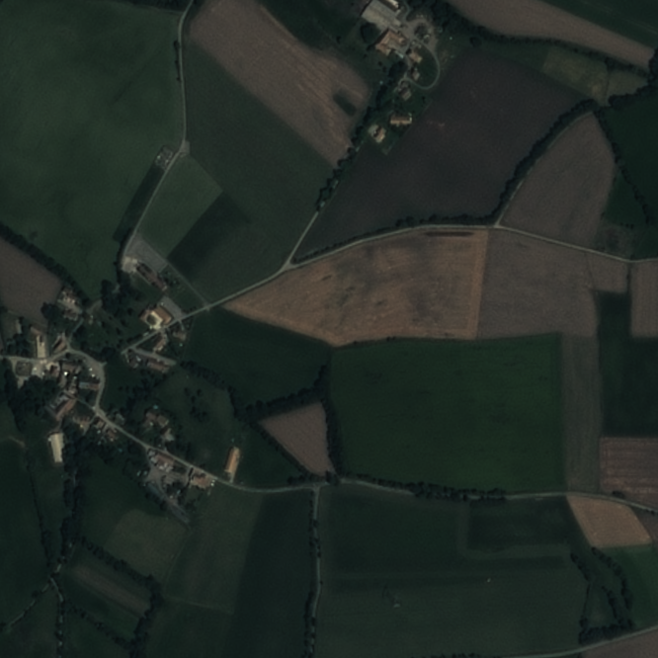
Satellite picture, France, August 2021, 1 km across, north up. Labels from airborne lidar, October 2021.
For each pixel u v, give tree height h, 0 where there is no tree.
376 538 0
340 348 0
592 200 0
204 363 0
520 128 0
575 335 0
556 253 0
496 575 0
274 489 0
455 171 0
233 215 0
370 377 0
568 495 0
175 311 0
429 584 0
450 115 0
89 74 0
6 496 0
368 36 15
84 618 11
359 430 0
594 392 0
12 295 0
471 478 0
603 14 0
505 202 13
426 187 0
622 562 0
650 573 0
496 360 0
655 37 0
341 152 0
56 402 0
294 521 0
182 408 0
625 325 0
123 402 0
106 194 0
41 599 18
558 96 0
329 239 0
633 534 0
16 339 9
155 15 0
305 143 0
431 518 0
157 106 0
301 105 0
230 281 0
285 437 0
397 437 0
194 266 0
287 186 0
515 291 0
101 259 0
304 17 0
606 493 0
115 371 0
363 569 0
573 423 0
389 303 0
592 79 0
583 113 11
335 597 0
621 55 0
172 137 0
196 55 0
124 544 0
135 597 0
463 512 0
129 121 0
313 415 0
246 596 0
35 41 0
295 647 0
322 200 7
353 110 0
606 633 17
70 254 0
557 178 0
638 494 0
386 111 19
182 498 8
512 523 0
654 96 17
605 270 0
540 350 0
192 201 0
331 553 0
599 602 0
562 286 0
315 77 0
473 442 0
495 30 0
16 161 0
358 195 0
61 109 0
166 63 0
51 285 0
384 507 0
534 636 0
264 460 0
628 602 13
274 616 0
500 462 0
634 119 0
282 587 0
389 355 0
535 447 0
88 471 17
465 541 0
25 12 0
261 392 0
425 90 0
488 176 0
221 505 0
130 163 0
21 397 22
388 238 0
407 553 0
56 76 0
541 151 18
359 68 0
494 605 0
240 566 0
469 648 0
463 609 0
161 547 0
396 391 0
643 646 0
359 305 0
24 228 0
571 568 0
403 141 0
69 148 0
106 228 0
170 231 0
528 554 0
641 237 0
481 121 0
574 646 0
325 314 0
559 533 0
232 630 0
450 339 0
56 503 0
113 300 21
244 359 0
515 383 0
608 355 0
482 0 0
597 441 0
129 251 0
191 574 0
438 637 0
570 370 0
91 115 0
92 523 0
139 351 0
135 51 0
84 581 0
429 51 0
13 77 0
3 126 0
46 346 0
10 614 0
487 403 0
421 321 0
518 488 0
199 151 0
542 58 0
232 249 0
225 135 0
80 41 0
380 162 0
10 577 0
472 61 0
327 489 0
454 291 0
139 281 0
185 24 0
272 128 0
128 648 14
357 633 0
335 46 0
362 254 0
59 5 0
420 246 0
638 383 0
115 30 0
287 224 0
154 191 0
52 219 0
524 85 0
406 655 0
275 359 0
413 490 17
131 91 0
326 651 0
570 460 0
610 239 0
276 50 0
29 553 0
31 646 0
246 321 0
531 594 0
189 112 0
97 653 0
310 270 0
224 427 0
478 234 0
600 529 0
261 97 0
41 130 0
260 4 0
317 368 0
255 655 0
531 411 0
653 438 0
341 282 0
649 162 0
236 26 0
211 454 0
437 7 25
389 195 0
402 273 0
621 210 0
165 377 9
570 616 0
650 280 0
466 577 0
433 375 0
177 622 0
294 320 0
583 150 0
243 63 0
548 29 0
